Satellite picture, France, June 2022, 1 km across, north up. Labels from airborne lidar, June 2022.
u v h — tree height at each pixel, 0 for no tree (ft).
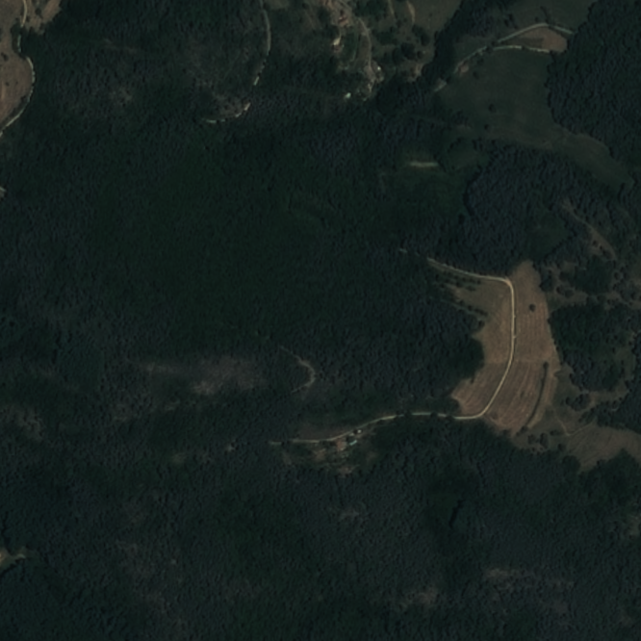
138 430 45
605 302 30
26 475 85
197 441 56
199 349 48
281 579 50
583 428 0
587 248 50
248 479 47
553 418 0
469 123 53
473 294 0
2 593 121
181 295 72
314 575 55
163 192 60
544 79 0
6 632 85
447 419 25
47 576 60
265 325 50
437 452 28
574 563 49
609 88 69
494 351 0
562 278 27
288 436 28
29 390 38
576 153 0
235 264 67
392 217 58
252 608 41
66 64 44
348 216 49
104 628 124
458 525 109
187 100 41
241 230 71
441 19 0
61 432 23
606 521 66
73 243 74
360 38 20
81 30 55
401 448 68
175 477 58
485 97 0
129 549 20
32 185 72
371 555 43
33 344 56
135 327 63
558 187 70
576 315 38
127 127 36
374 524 41
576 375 32
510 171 41
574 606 42
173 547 49
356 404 37
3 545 25
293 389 32
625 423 60
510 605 52
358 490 61
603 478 33
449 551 55
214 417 36
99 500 18
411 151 48
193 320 64
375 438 18
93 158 72
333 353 26
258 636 75
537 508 52
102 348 29
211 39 22
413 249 67
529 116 0
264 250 63
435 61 54
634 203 62
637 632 62
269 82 17
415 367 47
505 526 64
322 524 69
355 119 71
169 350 52
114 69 30
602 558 70
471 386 0
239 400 33
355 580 26
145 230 67
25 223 36
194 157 50
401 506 57
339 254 72
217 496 47
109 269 46
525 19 0
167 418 38
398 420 45
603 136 77
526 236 49
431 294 27
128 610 41
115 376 20
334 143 66
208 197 72
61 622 89
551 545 68
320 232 70
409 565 45
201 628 43
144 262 66
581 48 57
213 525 67
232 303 65
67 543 40
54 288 49
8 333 96
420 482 70
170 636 38
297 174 52
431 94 57
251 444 60
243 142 92
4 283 33
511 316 0
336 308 58
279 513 61
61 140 59
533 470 61
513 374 0
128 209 66
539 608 38
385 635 68
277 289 69
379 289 49
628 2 67
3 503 102
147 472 50
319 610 52
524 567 41
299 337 70
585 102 53
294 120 21
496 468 54
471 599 66
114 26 48
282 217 61
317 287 70
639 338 57
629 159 52
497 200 75
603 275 49
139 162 68
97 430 23
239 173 70
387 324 52
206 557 70
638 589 41
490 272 47
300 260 62
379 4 43
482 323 36
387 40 38
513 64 0
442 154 62
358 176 61
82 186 62
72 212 61
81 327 39
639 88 79
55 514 97
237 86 19
